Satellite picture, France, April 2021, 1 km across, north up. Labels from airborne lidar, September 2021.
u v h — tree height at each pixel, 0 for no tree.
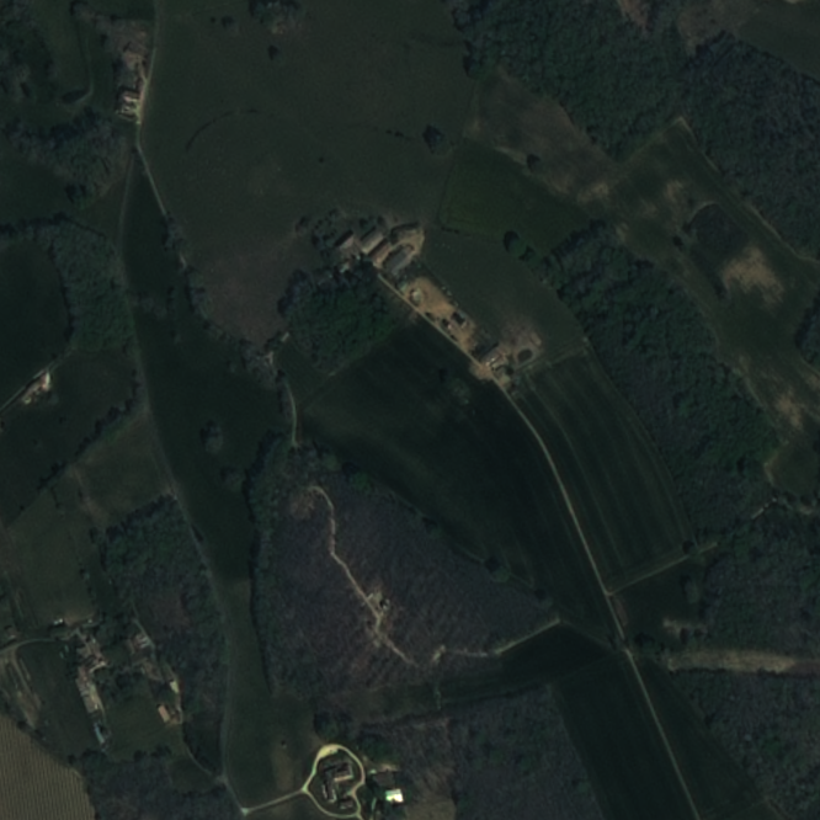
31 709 0
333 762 0
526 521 0
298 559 12
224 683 19
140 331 0
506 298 0
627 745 0
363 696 0
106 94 0
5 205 0
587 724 0
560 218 0
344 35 0
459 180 0
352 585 10
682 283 0
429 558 21
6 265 0
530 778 19
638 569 0
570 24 27
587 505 0
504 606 18
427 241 0
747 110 17
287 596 15
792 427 0
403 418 0
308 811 0
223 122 0
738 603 13
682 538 0
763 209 19
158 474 0
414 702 0
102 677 13
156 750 0
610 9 16
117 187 0
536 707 12
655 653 21
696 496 13
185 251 13
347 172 0
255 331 0
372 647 12
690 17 0
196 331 0
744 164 19
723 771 0
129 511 0
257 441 0
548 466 0
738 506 21
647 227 0
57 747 0
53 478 7
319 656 12
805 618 15
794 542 23
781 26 0
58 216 0
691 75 19
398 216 0
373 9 0
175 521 25
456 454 0
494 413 0
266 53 0
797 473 0
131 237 0
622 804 0
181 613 7
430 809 0
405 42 0
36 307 0
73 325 15
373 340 16
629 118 24
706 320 11
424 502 0
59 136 0
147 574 20
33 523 0
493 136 0
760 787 19
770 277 0
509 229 0
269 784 0
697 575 0
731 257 0
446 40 0
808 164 20
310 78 0
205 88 0
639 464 0
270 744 0
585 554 0
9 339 0
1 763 0
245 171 0
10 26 7
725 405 25
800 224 17
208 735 0
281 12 24
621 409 0
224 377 0
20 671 0
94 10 8
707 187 0
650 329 26
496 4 19
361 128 0
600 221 0
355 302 20
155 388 0
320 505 13
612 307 14
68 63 0
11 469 0
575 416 0
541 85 22
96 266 23
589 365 0
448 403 0
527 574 0
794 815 11
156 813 16
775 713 16
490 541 0
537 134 0
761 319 0
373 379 0
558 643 0
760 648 14
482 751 15
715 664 0
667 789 0
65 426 6
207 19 0
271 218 0
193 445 0
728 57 15
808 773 10
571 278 12
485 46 25
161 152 0
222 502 0
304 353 19
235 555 0
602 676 0
